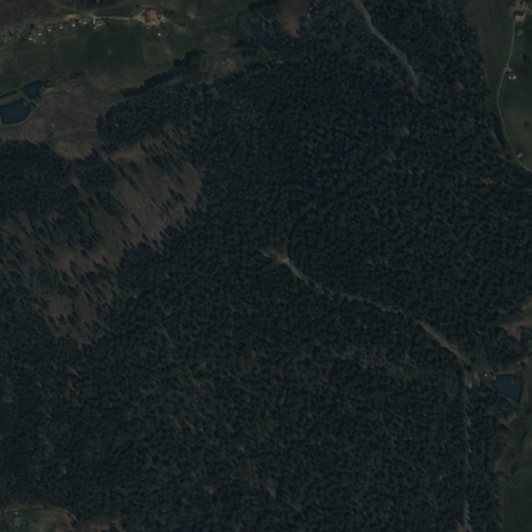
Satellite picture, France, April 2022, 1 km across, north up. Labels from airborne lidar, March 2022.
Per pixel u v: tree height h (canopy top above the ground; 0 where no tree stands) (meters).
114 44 0
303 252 25
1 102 0
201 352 34
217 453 20
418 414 29
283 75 25
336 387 30
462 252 30
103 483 31
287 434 13
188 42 0
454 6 6
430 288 22
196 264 23
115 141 24
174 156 0
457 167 26
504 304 11
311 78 28
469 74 25
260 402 25
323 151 29
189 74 25
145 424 18
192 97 24
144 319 13
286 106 14
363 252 13
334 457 15
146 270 21
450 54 19
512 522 0
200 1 0
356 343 32
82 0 28
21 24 0
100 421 21
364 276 26
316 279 8
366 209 30
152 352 33
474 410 18
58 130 0
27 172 24
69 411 24
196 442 24
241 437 22
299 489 26
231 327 29
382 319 26
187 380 17
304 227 20
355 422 17
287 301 27
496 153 10
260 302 23
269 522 30
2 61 0
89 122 0
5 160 27
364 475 19
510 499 0
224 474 35
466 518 12
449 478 10
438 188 25
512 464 0
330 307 25
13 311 22
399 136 13
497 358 25
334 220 30
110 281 22
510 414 13
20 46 0
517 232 11
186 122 25
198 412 12
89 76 0
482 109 24
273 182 20
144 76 0
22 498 21
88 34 0
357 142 24
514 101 0
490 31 0
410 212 32
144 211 0
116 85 0
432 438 31
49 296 21
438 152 27
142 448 15
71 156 0
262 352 31
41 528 0
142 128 28
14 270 25
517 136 0
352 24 25
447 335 28
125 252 0
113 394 24
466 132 34
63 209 24
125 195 0
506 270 22
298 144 18
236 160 25
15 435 25
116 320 20
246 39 17
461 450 23
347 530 26
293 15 0
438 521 11
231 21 0
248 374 29
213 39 0
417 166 29
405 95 25
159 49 0
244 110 26
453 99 14
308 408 17
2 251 27
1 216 23
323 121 28
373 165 32
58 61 0
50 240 27
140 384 21
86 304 0
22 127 0
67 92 0
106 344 23
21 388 25
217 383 22
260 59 30
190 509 16
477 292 27
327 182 28
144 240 0
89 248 23
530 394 0
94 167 24
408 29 13
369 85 27
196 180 0
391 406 6
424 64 17
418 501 32
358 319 26
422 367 32
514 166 11
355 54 29
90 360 25
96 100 0
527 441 17
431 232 33
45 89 18
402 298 23
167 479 27
